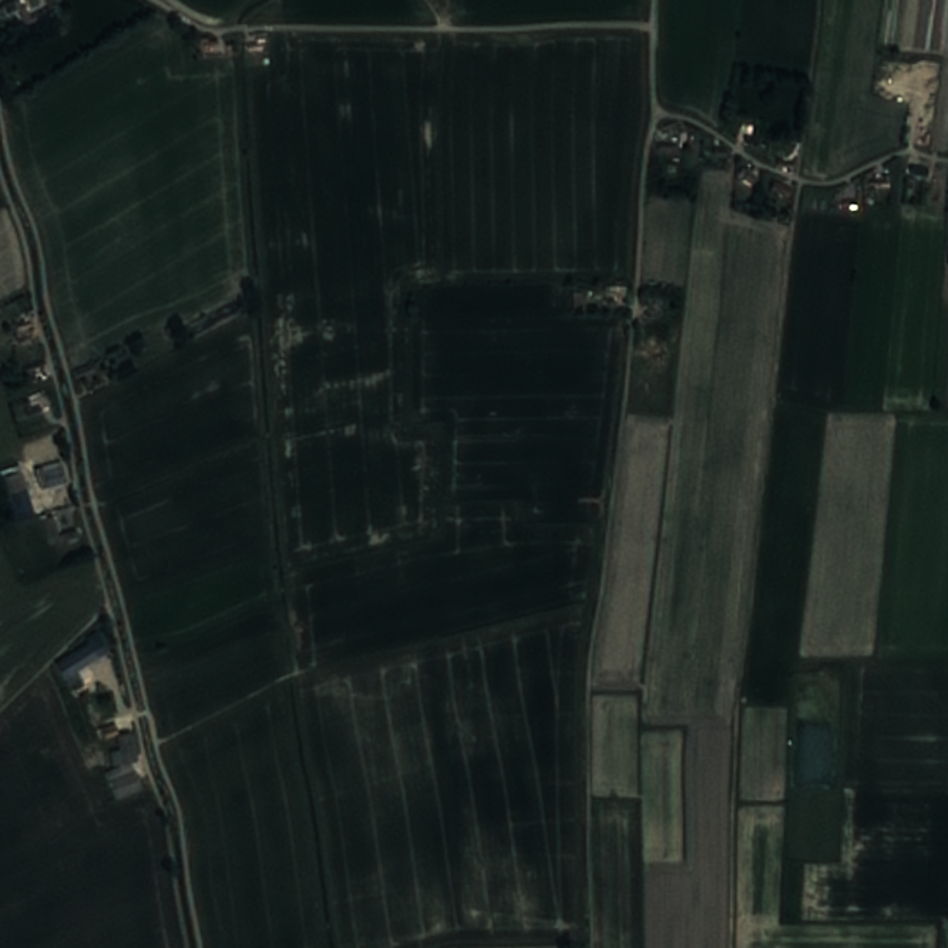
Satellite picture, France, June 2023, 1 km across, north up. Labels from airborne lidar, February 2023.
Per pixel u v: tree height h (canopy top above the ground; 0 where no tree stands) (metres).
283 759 0
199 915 0
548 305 0
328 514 0
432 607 0
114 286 0
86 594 0
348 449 0
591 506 0
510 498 0
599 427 0
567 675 0
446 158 0
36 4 0
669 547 0
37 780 0
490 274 0
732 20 0
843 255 0
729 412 0
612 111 0
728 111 12
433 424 0
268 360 0
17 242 0
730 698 0
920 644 0
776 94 21
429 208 0
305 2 0
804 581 0
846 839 0
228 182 0
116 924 0
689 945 0
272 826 0
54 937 0
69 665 0
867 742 0
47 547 0
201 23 0
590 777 0
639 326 8
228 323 0
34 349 0
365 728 0
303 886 0
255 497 0
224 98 0
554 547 0
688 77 0
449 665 0
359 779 0
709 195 0
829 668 0
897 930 0
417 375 0
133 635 0
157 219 0
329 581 0
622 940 0
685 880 0
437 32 0
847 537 0
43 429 0
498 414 0
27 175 0
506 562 0
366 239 0
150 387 0
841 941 0
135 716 0
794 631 0
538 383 0
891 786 0
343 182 0
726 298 0
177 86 0
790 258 0
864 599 0
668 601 0
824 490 0
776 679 0
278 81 0
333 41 0
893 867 0
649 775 0
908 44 0
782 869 0
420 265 0
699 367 0
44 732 0
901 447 0
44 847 0
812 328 0
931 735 0
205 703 0
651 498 0
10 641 0
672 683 0
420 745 0
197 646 0
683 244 0
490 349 0
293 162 0
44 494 0
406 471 0
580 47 0
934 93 0
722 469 0
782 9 0
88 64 0
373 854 0
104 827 0
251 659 0
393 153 0
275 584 0
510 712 0
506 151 0
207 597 0
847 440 0
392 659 0
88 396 0
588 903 0
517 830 0
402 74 0
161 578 0
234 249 0
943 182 0
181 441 0
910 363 0
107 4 0
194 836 0
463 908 0
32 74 0
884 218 0
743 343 0
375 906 0
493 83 0
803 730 0
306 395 0
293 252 0
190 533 0
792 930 0
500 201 0
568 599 0
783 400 0
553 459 0
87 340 0
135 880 0
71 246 0
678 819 0
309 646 0
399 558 0
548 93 0
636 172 0
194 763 0
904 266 0
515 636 0
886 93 0
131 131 0
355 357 0
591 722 0
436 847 0
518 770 0
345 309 0
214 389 0
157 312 0
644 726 0
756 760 0
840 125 0
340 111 0
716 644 0
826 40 0
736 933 0
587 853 0
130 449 0
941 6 0
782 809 0
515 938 0
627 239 0
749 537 0
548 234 0
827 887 0
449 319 0
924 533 0
